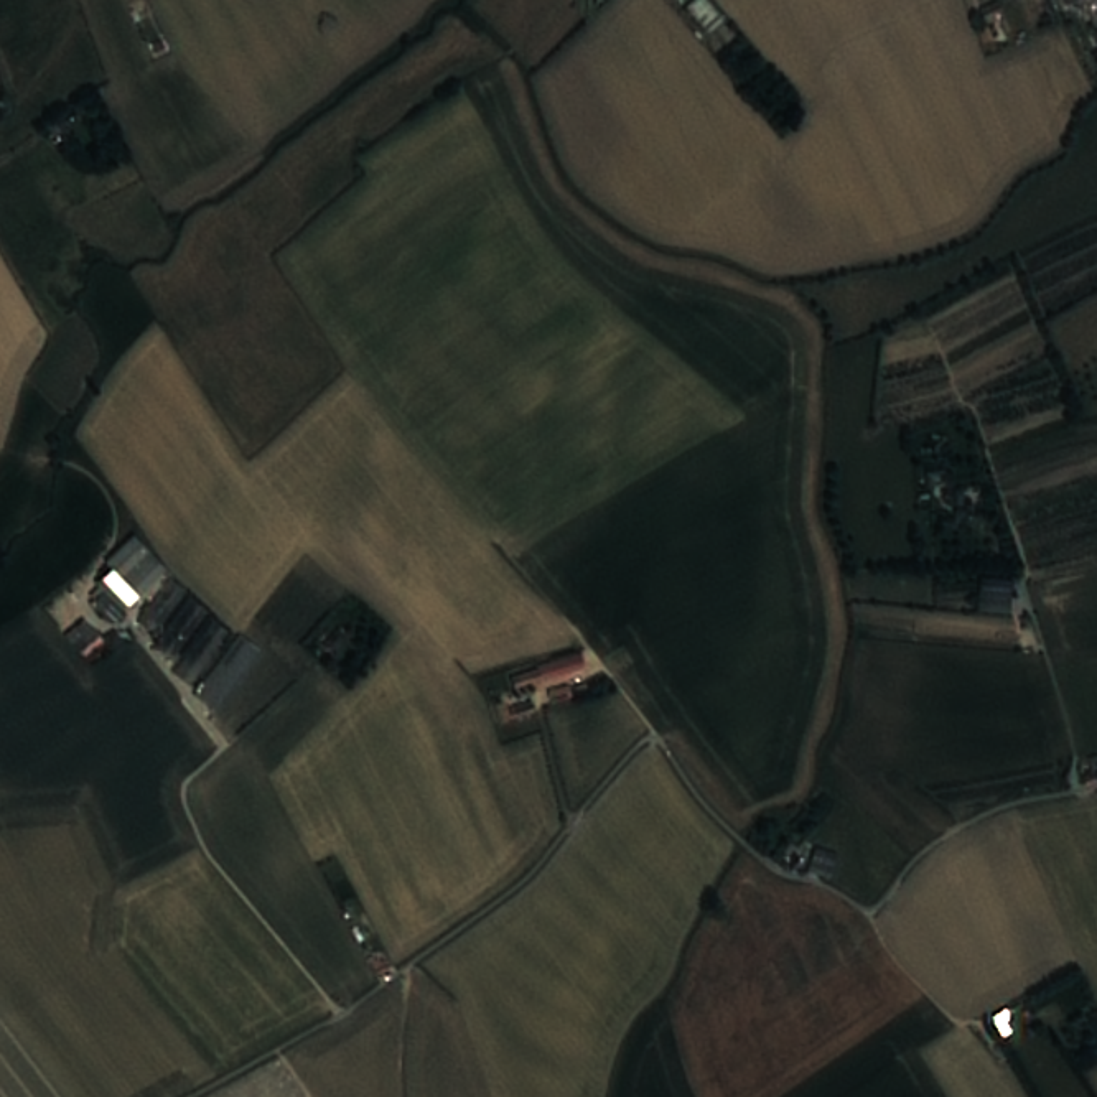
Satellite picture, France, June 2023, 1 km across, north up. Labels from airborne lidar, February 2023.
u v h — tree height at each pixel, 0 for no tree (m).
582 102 0
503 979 0
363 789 0
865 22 0
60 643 0
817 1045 0
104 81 0
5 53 0
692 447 0
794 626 0
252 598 0
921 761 0
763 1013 0
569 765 0
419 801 0
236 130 0
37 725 0
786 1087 0
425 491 0
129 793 0
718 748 0
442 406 0
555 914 0
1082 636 0
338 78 0
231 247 0
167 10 0
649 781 0
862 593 0
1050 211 0
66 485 0
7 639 0
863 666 0
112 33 0
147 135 0
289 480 0
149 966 0
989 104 0
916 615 0
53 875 0
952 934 0
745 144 0
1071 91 0
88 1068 0
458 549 0
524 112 0
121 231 0
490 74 0
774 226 0
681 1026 0
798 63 0
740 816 0
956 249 9
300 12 0
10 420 0
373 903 0
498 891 0
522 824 0
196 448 0
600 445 0
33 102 0
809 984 0
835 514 8
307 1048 0
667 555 0
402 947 0
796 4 0
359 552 0
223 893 0
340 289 0
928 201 0
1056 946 0
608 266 0
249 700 0
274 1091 0
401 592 0
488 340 0
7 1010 0
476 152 0
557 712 0
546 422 0
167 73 0
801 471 0
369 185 0
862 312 0
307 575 0
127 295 0
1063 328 0
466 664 0
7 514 0
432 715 0
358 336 0
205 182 0
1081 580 0
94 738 0
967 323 0
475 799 0
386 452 0
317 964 0
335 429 0
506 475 0
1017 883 0
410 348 0
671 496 0
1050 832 0
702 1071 0
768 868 0
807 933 0
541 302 0
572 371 0
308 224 0
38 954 0
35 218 0
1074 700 0
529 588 0
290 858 0
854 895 0
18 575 0
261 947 0
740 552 0
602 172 0
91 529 0
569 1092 0
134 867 0
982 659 0
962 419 8
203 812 0
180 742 0
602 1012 0
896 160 0
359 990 0
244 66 0
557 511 0
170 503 0
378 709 0
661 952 0
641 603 0
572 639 0
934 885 0
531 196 0
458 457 0
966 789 0
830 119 0
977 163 0
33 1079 0
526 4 0
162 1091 0
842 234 0
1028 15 0
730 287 0
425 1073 0
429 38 0
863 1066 0
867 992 0
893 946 0
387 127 0
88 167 13
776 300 0
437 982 0
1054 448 0
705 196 0
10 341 0
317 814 0
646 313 0
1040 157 0
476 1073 0
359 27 0
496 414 0
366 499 0
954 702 0
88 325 0
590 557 0
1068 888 0
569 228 0
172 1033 0
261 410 0
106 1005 0
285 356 0
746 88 15
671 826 0
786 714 0
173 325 0
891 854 0
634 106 0
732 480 0
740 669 0
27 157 0
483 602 0
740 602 0
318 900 0
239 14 0
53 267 0
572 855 0
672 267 0
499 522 0
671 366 0
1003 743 0
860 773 0
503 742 0
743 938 0
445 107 0
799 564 0
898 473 0
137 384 0
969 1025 0
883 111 0
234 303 0
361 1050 0
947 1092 0
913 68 0
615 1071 0
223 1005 0
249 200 0
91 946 0
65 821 0
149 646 0
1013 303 0
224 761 0
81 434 0
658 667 0
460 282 0
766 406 0
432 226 0
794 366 0
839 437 0
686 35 0
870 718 0
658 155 0
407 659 0
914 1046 0
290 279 0
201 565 0
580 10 0
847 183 0
